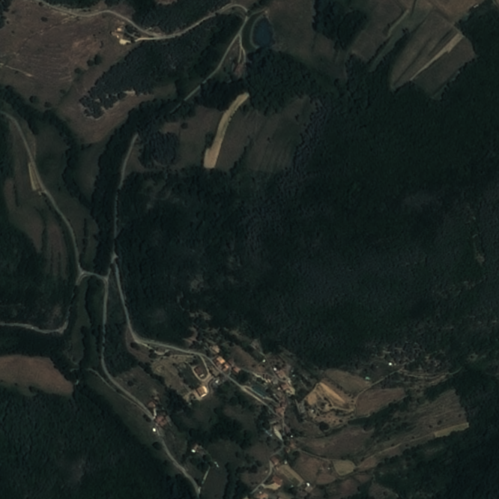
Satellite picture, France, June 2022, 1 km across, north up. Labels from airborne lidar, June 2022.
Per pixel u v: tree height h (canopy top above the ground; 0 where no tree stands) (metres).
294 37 0
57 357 16
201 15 11
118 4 6
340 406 0
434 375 5
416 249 14
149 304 11
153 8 6
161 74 11
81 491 11
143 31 0
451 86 14
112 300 0
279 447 5
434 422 0
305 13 0
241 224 12
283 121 0
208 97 19
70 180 22
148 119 16
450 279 16
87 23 0
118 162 6
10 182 0
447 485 7
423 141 17
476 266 10
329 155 13
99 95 12
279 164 0
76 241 7
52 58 0
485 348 15
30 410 18
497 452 20
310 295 14
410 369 9
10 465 16
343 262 14
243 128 0
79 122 0
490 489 19
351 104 17
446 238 16
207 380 0
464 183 8
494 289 16
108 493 11
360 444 0
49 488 15
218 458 0
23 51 0
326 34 10
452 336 12
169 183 9
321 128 12
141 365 12
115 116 0
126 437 22
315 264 13
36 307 10
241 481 7
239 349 0
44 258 13
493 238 13
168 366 0
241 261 11
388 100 15
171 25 15
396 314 12
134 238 13
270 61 19
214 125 0
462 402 10
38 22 0
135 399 0
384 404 0
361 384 0
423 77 0
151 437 0
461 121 12
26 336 10
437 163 11
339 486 0
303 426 0
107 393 0
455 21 0
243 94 11
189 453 7
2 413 14
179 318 6
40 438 15
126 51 0
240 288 7
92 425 16
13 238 11
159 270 13
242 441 9
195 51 16
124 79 14
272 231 9
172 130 0
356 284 12
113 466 22
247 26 0
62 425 13
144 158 9
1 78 0
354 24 8
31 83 0
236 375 7
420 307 12
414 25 0
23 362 0
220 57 22
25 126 0
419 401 11
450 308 13
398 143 15
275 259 8
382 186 10
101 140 0
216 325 11
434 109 16
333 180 14
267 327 7
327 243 7
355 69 8
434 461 12
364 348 9
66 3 10
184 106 9
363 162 15
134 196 10
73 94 0
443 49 0
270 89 15
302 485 0
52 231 0
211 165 0
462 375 12
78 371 6
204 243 6
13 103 15
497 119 13
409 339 8
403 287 15
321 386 0
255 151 0
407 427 7
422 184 7
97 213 25
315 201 7
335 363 7
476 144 10
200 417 0
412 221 10
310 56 0
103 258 27
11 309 8
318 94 11
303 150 9
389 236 8
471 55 0
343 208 9
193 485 0
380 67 10
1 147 17
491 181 11
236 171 18
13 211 0
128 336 0
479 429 9
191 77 8
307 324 12
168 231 8
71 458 7
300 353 8
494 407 12
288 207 10
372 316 7
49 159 0
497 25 9
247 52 0
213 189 15
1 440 13
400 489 7
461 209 7
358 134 22
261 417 9
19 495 10
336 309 8
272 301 8
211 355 12
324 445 0
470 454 14
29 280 9
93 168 0
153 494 16
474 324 7
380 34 0
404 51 0
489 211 15
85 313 0
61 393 0
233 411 0
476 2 0
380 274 16
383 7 0
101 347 12
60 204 0
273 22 0
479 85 11
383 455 0
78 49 0
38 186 0
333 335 11
